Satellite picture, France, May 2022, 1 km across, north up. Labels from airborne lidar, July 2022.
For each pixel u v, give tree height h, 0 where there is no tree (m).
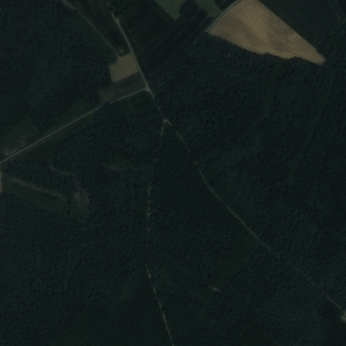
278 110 30
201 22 0
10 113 24
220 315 26
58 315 24
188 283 25
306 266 25
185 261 28
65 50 25
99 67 14
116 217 24
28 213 24
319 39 0
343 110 26
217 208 17
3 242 18
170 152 20
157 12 0
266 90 26
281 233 25
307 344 24
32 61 23
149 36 0
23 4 27
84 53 22
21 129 0
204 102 8
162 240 18
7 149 0
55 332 19
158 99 20
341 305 26
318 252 25
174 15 0
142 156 24
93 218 26
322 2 0
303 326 26
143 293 17
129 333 18
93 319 18
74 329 15
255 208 24
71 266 24
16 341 30
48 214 25
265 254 24
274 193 25
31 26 26
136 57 0
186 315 19
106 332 17
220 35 0
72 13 24
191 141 26
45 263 24
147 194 8
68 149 21
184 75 32
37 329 29
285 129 12
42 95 20
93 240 29
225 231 18
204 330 18
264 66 25
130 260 25
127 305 18
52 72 27
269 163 26
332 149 31
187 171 22
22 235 19
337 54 32
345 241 25
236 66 30
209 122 27
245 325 21
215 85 29
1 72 28
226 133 28
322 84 26
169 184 21
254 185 25
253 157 32
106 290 25
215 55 28
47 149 0
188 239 20
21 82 26
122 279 27
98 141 29
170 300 16
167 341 19
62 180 16
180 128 23
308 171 33
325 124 27
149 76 0
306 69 24
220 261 27
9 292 19
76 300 18
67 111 14
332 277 22
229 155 25
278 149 32
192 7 19
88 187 16
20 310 26
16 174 22
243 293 23
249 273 27
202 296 7
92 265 31
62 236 24
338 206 26
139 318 17
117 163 0
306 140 29
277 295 21
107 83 27
